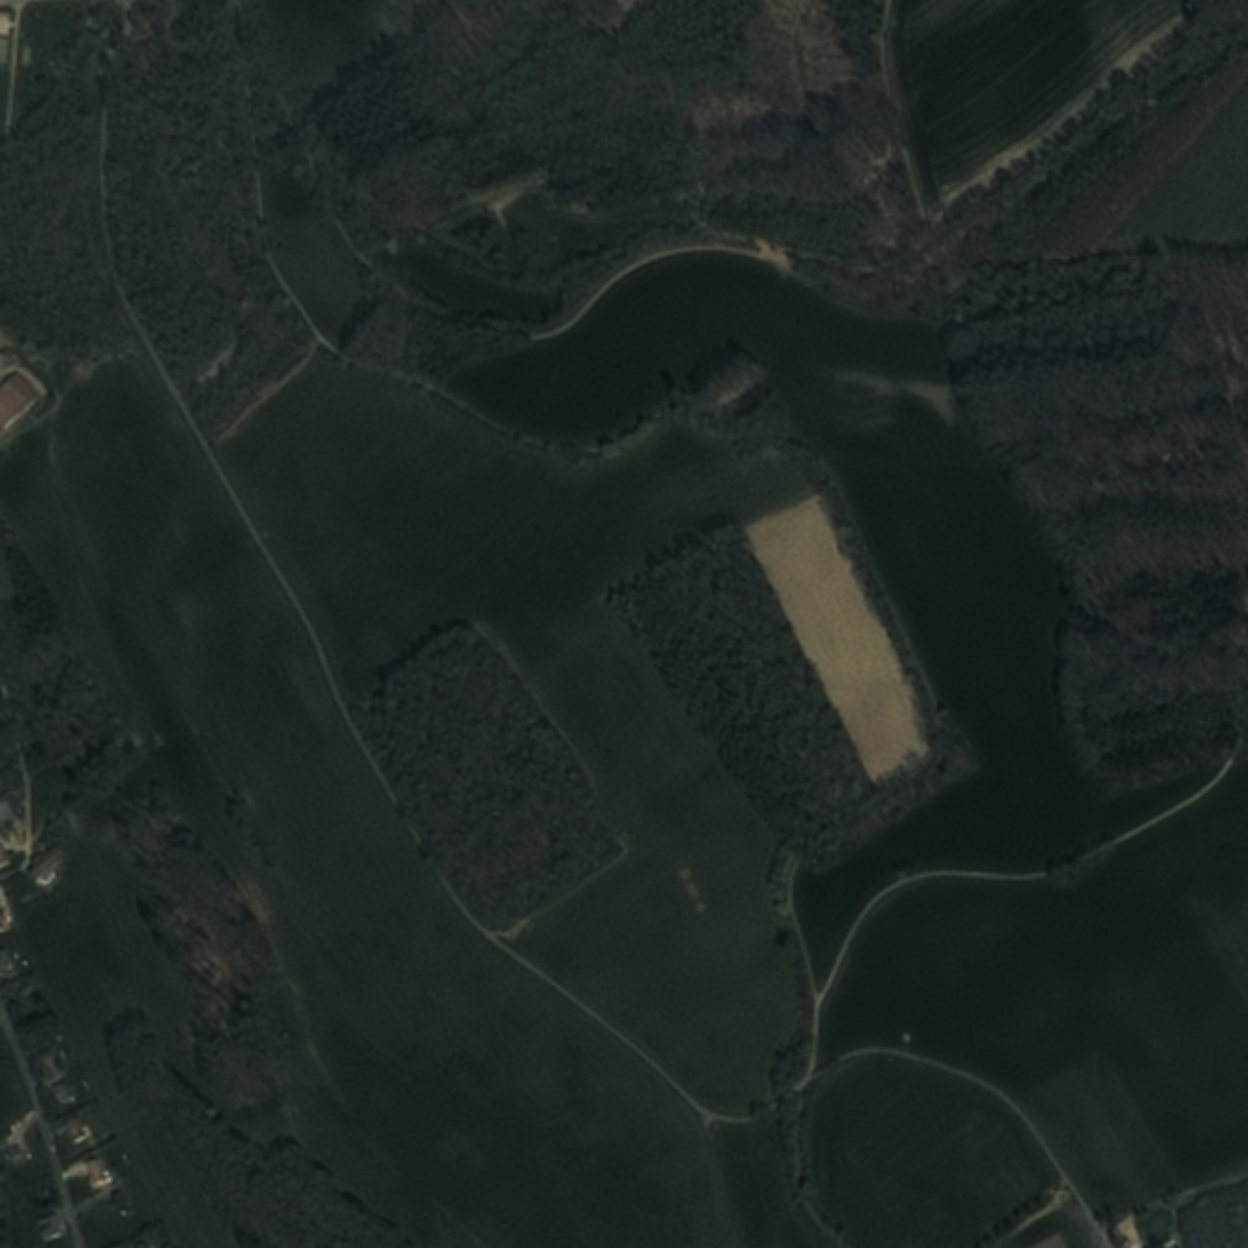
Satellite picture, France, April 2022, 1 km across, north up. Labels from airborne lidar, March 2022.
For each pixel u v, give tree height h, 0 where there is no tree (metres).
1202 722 16
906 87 0
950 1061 0
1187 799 0
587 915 0
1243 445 29
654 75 24
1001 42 0
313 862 0
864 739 0
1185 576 20
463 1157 0
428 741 25
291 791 0
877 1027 0
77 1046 0
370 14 0
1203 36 27
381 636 0
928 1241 0
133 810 28
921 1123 0
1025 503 28
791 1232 0
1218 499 28
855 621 0
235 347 0
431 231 17
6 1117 0
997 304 0
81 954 0
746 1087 0
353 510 0
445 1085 0
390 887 0
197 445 0
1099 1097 0
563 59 24
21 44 0
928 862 0
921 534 0
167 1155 0
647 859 0
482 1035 0
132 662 0
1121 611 14
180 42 10
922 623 0
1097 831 0
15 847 0
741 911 0
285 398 0
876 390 0
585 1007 0
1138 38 0
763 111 0
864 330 0
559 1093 0
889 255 0
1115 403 32
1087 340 15
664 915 0
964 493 0
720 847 0
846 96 0
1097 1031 0
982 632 0
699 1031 0
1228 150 0
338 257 0
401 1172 0
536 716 21
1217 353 34
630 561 0
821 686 18
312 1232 28
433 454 0
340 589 0
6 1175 7
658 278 0
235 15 20
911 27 0
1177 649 24
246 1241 26
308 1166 18
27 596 26
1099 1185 0
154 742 0
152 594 0
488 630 0
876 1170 0
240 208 18
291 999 0
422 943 0
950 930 0
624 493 0
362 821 0
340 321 0
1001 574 0
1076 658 19
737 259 0
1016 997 0
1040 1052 0
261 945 29
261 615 0
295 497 0
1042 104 0
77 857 0
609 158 18
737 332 0
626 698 0
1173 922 0
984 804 0
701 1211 0
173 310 15
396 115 33
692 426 13
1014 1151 0
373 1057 0
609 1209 0
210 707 0
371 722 8
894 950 0
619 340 0
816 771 21
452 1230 0
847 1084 0
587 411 0
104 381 0
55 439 0
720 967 0
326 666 0
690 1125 0
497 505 0
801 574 0
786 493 0
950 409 0
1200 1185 0
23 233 16
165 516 0
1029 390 35
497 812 27
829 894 0
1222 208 0
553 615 0
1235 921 0
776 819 15
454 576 0
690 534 0
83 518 0
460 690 20
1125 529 19
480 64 32
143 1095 27
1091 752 25
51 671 25
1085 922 0
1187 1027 0
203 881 32
